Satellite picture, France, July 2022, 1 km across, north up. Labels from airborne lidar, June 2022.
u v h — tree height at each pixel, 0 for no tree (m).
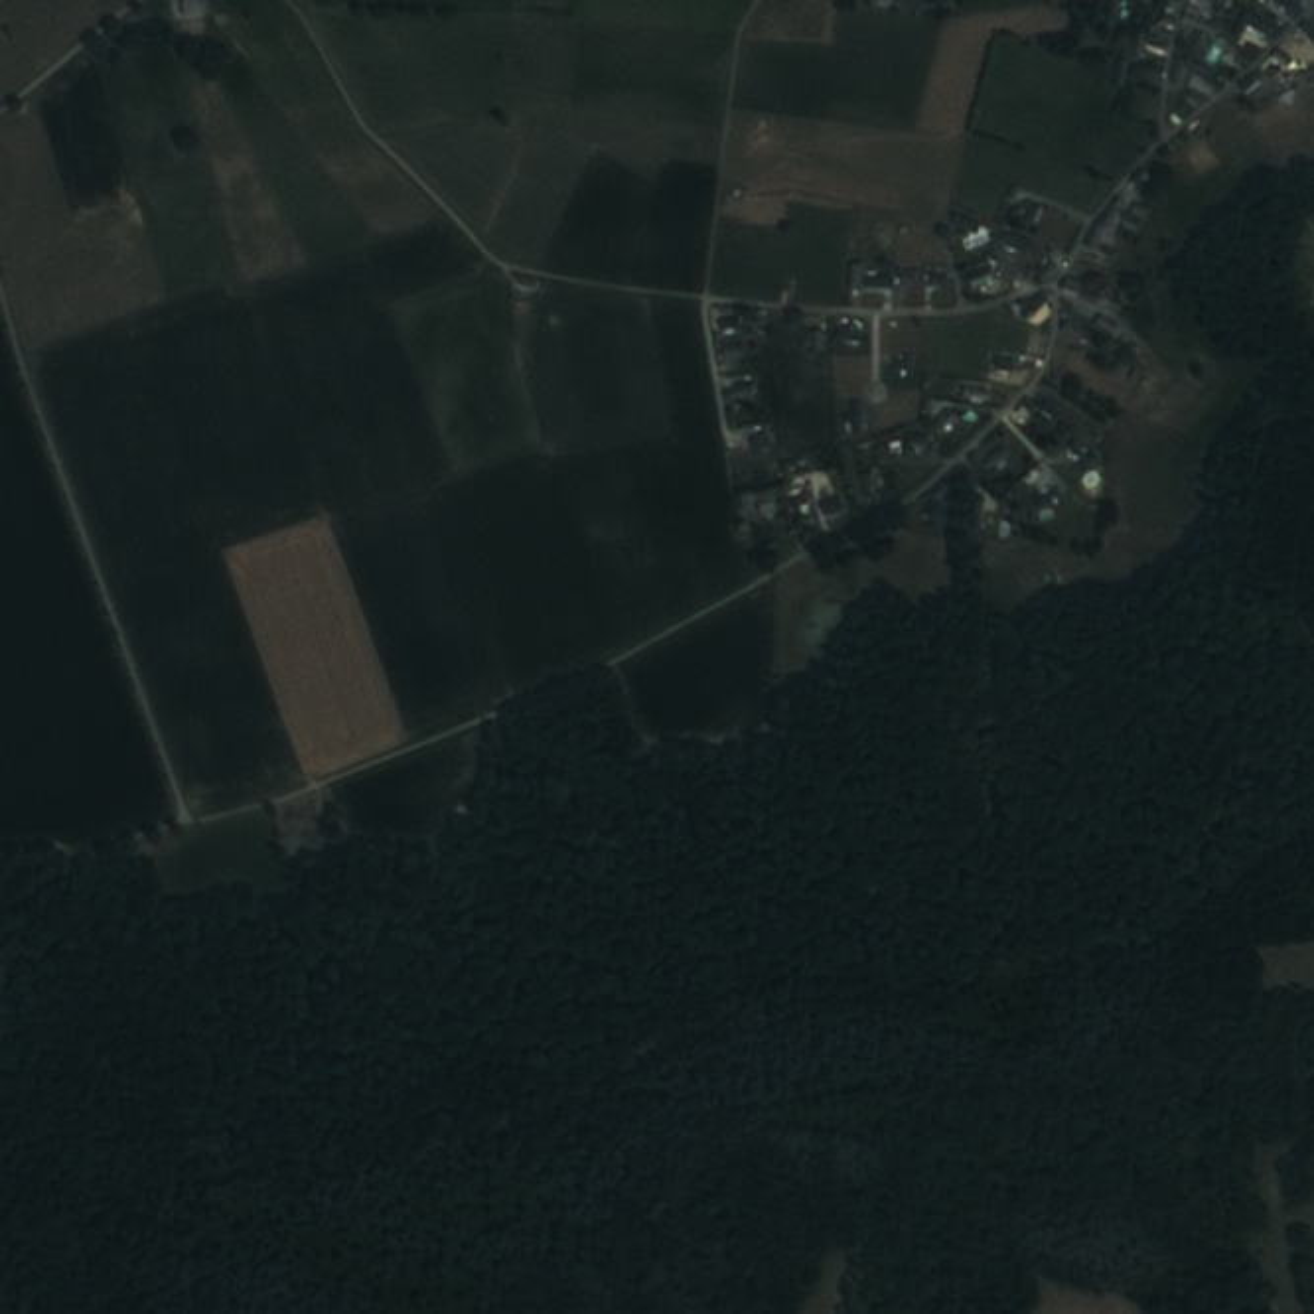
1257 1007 17
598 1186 16
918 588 0
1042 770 34
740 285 0
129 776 0
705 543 0
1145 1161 19
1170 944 13
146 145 0
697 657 0
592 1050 19
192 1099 26
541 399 0
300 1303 11
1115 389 0
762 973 23
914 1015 17
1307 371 28
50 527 0
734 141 0
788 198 0
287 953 36
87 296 0
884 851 29
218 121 0
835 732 32
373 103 0
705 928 27
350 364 0
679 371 0
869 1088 12
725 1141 21
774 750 29
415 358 0
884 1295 18
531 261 0
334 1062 33
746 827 33
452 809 0
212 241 0
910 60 0
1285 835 19
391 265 0
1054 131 0
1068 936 30
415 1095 36
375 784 0
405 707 0
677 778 30
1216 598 21
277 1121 33
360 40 0
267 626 0
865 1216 21
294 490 0
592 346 0
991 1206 28
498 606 0
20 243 0
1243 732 32
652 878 29
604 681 19
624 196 0
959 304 0
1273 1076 19
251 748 0
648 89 0
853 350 0
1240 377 0
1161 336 0
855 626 20
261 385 0
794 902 33
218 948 29
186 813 0
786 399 0
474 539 0
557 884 29
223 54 19
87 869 20
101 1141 26
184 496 0
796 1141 17
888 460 0
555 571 0
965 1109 17
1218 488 20
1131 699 33
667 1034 23
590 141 0
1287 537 14
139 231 0
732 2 0
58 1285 28
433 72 0
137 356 0
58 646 0
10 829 0
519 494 0
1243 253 18
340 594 0
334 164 0
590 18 0
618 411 0
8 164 0
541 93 0
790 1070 18
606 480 0
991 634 24
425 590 0
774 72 0
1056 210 0
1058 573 0
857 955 30
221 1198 7
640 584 0
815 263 0
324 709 0
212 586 0
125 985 29
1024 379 0
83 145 0
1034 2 0
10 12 0
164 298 0
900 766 30
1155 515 0
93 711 0
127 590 0
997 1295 20
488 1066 30
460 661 0
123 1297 20
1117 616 24
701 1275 28
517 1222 11
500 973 30
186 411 0
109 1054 16
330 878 28
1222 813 22
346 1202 16
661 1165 18
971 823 38
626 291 0
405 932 30
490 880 28
